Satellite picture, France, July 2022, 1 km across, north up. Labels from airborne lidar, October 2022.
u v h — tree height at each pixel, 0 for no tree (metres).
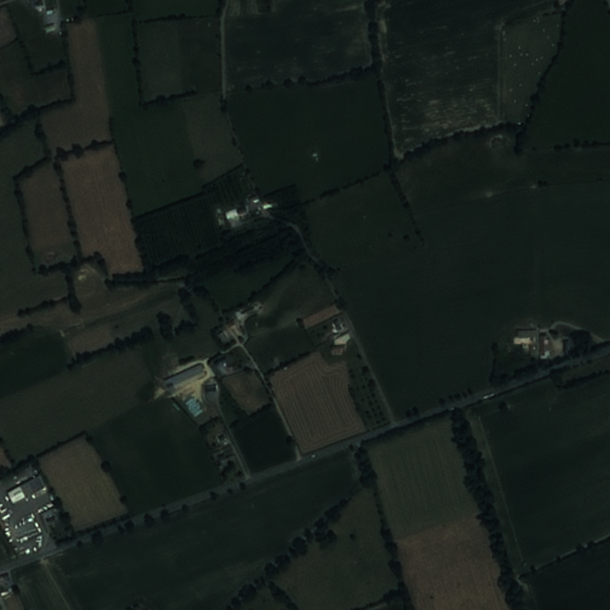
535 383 7
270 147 0
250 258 11
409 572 0
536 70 0
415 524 0
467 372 0
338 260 0
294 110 0
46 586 0
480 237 0
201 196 7
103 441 0
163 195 0
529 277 0
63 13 0
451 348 0
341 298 7
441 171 0
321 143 0
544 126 0
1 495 0
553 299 0
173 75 0
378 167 0
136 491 0
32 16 0
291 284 0
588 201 0
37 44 0
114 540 0
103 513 0
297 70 0
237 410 6
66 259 0
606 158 0
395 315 0
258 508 0
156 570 0
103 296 0
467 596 0
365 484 17
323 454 0
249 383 0
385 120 9
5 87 0
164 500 0
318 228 0
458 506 0
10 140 0
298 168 0
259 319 0
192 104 0
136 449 0
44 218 0
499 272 0
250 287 0
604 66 0
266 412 10
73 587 0
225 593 0
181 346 0
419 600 0
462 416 11
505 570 13
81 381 0
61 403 0
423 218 0
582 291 0
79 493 0
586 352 19
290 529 0
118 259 0
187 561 0
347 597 0
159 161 0
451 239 0
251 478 0
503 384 16
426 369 0
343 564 0
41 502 0
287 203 7
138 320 0
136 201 0
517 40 0
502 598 0
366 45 0
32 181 0
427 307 0
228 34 0
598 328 0
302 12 0
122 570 0
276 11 0
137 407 0
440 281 0
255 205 0
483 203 0
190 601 0
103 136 0
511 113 0
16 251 0
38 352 0
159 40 0
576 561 0
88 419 0
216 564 0
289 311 0
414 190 0
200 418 0
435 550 0
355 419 0
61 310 0
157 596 0
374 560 0
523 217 0
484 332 0
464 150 0
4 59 0
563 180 0
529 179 0
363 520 0
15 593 14
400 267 0
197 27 0
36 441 0
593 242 0
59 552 0
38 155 0
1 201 0
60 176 6
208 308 0
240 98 0
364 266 0
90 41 0
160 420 0
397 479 0
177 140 0
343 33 0
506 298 0
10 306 0
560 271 0
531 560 0
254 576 0
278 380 0
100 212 0
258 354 0
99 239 0
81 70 0
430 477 0
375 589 0
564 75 0
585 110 0
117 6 0
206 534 0
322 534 16
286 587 0
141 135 0
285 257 7
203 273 9
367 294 0
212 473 0
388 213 0
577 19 0
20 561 0
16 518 0
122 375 0
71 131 0
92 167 0
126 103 0
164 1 0
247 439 0
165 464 0
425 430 0
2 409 0
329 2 0
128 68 0
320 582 0
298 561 0
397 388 0
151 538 0
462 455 26
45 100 0
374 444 10
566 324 0
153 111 0
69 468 0
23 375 0
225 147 0
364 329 0
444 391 0
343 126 0
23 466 13
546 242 0
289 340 0
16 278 0
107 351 7
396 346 0
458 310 0
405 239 8
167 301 0
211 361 10
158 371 0
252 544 0
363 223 0
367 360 0
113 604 0
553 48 0
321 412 0
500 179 0
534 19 0
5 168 0
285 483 0
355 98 0
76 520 0
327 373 0
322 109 0
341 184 0
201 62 0
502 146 0
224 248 8
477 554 0
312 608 0
